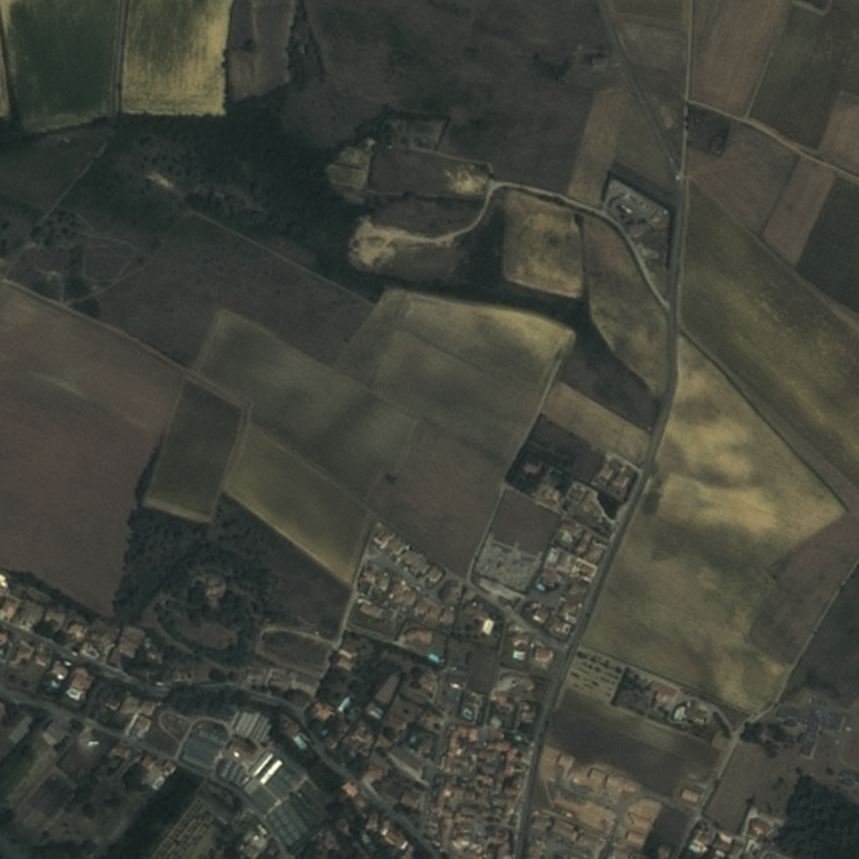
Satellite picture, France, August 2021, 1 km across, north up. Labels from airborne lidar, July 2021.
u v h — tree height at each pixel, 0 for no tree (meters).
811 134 0
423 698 0
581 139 0
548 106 0
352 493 0
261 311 0
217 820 0
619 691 7
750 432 0
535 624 0
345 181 0
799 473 0
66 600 8
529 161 0
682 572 0
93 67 0
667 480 0
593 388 0
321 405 0
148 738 0
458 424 0
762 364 0
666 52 0
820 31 0
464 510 0
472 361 0
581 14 0
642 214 0
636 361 0
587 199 0
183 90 0
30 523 0
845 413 0
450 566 0
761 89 0
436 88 0
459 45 0
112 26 0
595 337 6
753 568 0
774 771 0
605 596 0
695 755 0
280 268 0
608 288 0
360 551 0
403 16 0
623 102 0
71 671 8
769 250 0
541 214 0
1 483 0
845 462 0
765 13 0
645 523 0
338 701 11
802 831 6
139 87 0
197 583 7
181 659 13
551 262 0
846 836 15
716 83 0
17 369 0
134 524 14
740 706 0
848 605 0
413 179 0
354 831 13
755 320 0
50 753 0
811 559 0
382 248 0
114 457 0
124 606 18
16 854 0
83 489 0
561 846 0
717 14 0
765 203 0
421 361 0
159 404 0
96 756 0
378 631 0
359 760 10
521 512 0
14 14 0
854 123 0
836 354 0
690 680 0
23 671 0
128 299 0
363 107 0
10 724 8
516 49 0
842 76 0
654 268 0
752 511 0
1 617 0
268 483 0
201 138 8
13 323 0
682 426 0
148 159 7
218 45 0
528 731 10
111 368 0
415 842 9
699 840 0
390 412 0
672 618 0
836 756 0
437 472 0
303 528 0
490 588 0
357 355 0
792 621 0
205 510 0
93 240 0
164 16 0
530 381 0
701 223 0
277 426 0
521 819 0
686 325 0
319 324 0
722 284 0
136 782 13
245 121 9
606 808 0
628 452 0
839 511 0
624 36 0
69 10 0
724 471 0
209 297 0
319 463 0
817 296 0
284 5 0
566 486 10
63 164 0
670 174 0
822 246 0
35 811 0
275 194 6
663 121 0
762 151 0
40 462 0
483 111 0
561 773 0
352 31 0
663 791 0
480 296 8
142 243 0
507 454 0
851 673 0
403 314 0
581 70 0
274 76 0
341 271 7
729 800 0
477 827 0
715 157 0
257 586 11
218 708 13
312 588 0
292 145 10
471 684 0
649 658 0
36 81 0
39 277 7
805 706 0
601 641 0
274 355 0
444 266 0
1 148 15
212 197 9
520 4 0
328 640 0
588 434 0
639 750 0
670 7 0
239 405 0
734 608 0
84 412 0
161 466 0
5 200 6
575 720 0
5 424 0
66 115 0
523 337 0
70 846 11
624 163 0
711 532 0
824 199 0
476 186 0
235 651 15
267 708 10
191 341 0
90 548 0
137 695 8
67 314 0
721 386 0
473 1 0
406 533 0
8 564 0
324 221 5
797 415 0
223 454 0
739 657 0
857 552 0
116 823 0
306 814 0
